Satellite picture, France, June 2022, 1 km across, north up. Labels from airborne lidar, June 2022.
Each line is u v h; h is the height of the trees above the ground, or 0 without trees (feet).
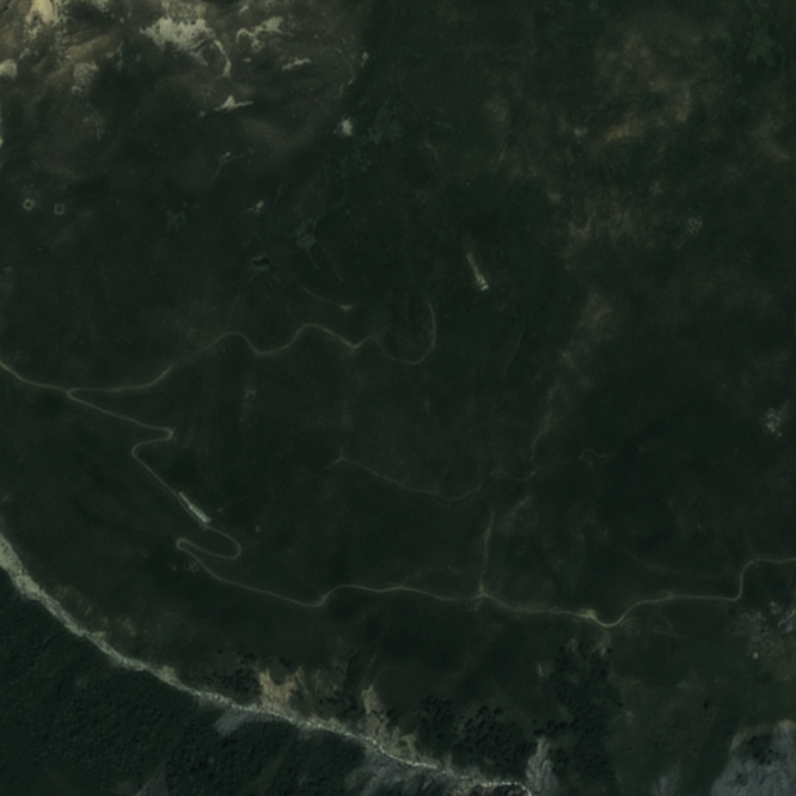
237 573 0
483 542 0
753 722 0
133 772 22
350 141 0
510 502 0
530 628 0
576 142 0
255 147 0
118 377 0
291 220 0
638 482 0
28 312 0
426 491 0
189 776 23
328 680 0
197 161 0
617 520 0
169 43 0
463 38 0
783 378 0
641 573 0
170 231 0
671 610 0
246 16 0
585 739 29
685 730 0
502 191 0
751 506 0
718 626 0
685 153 0
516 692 0
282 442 0
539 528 0
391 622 0
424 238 0
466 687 0
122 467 0
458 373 0
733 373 0
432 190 0
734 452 0
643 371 0
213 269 0
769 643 0
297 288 0
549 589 0
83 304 0
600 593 0
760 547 0
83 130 0
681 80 0
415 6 0
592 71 0
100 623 0
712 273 0
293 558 0
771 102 0
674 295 0
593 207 0
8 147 0
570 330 0
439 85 0
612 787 24
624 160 0
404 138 0
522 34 0
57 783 0
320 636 0
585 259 0
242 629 0
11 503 0
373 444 0
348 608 0
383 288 0
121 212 0
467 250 0
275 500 0
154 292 0
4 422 0
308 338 0
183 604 0
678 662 0
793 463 0
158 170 0
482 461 0
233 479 0
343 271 0
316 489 0
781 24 0
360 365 0
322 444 0
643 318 0
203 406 0
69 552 0
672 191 0
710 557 0
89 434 0
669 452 0
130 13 0
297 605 0
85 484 0
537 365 0
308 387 0
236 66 0
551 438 0
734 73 0
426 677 0
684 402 0
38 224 0
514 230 0
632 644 0
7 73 0
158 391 0
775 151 0
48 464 0
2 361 0
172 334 0
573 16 0
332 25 0
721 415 0
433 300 0
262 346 0
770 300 0
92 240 0
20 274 0
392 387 0
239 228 0
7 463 0
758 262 0
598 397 0
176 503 0
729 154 0
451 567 0
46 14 0
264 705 0
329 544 0
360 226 0
